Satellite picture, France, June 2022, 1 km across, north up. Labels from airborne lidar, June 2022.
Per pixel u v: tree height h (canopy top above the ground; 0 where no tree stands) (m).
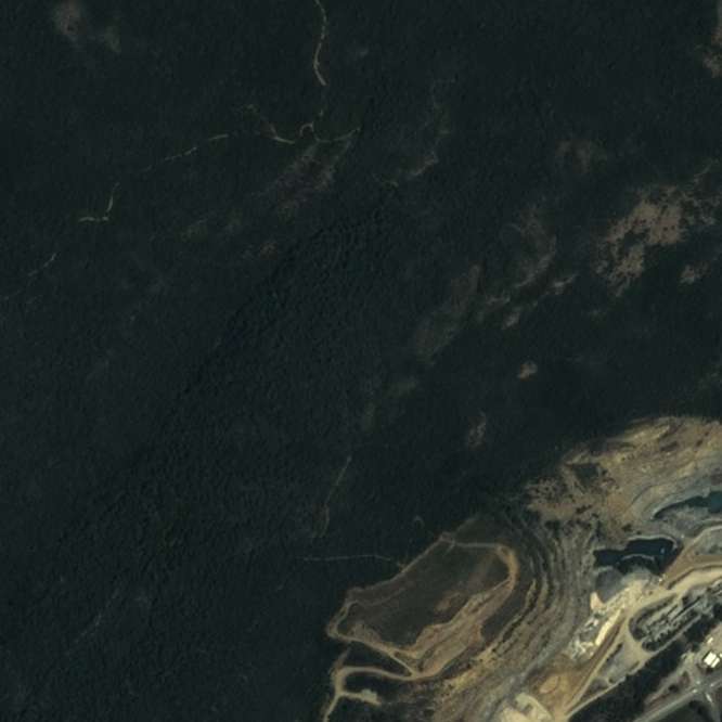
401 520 7
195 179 7
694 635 12
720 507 0
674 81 7
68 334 8
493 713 0
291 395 6
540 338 10
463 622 0
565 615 0
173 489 16
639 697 12
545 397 6
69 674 13
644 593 0
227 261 9
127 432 8
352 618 0
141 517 10
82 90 6
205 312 7
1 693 9
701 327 7
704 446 0
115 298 7
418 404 11
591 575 0
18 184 7
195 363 12
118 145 7
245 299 15
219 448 10
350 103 6
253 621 10
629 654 0
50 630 7
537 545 6
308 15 6
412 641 0
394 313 6
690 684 0
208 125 7
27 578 9
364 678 8
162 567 10
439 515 8
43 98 6
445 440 9
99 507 17
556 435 6
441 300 8
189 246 7
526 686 0
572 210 7
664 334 10
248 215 9
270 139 7
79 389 10
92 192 6
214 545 11
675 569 0
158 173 7
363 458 11
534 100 8
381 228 16
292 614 7
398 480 8
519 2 9
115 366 7
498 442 7
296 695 7
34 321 7
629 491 0
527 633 0
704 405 8
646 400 6
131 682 7
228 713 8
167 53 8
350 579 7
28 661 7
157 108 7
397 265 7
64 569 11
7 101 7
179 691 9
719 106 8
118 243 6
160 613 11
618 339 6
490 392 6
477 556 0
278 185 6
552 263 7
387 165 10
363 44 6
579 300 6
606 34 8
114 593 9
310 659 7
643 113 6
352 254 15
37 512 11
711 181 6
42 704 13
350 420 6
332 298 7
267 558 6
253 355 10
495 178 8
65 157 7
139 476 17
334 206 8
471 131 9
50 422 11
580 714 7
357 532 7
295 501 8
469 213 6
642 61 6
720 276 9
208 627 5
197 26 6
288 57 6
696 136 7
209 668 8
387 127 7
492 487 12
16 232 7
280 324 12
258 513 8
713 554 0
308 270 9
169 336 8
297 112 6
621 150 7
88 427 10
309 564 7
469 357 8
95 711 9
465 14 7
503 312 8
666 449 0
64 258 5
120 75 8
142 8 10
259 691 7
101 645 7
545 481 7
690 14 16
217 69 6
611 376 7
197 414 7
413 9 6
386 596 0
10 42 6
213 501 7
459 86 6
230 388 12
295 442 6
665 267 7
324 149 9
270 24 9
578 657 0
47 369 8
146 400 13
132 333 7
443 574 0
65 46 7
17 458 8
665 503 0
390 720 7
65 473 7
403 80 8
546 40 8
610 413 7
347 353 6
